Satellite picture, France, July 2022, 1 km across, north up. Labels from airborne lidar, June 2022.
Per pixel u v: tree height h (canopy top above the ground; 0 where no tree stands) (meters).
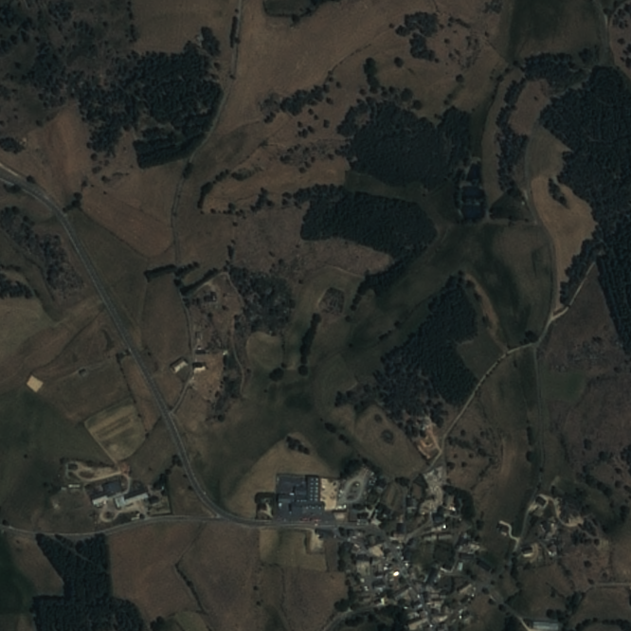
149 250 0
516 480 0
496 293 0
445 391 15
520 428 0
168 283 0
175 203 0
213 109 16
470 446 7
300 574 0
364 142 13
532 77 17
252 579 0
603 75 20
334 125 0
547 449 0
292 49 0
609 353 0
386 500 0
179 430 0
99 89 10
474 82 0
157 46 0
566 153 10
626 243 17
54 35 0
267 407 0
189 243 0
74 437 0
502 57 0
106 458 0
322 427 0
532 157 0
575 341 0
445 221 0
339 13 0
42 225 0
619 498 0
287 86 0
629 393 0
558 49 0
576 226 0
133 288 0
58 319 0
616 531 0
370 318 0
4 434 0
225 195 0
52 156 0
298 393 0
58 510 0
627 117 16
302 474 0
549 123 14
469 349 0
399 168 13
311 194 16
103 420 0
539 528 0
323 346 0
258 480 0
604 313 0
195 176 0
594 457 0
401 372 16
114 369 0
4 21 17
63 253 0
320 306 0
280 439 0
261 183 0
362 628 0
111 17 0
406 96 12
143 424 0
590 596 0
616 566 0
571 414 0
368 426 0
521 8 0
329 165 0
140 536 0
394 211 8
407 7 0
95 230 0
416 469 0
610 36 0
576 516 0
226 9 0
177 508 0
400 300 0
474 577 8
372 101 13
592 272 0
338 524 0
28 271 0
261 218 0
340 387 0
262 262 0
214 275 18
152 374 0
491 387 0
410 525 0
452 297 14
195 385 0
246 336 0
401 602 9
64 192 0
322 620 0
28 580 0
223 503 0
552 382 0
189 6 0
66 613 26
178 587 0
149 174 0
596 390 0
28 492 0
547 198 0
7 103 0
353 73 0
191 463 0
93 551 26
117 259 0
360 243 10
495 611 0
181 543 0
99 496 0
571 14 0
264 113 0
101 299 0
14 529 0
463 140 12
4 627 0
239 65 0
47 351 0
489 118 0
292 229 0
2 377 0
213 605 0
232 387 10
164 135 23
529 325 0
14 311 0
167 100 20
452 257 0
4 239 0
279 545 0
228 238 0
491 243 0
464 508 6
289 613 0
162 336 0
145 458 0
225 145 0
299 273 0
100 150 16
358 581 8
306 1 0
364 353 0
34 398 0
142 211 0
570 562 0
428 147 10
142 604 0
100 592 23
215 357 0
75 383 0
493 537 0
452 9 0
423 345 13
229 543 0
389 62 0
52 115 0
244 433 0
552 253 0
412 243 10
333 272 0
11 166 0
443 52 0
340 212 19
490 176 0
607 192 20
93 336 0
